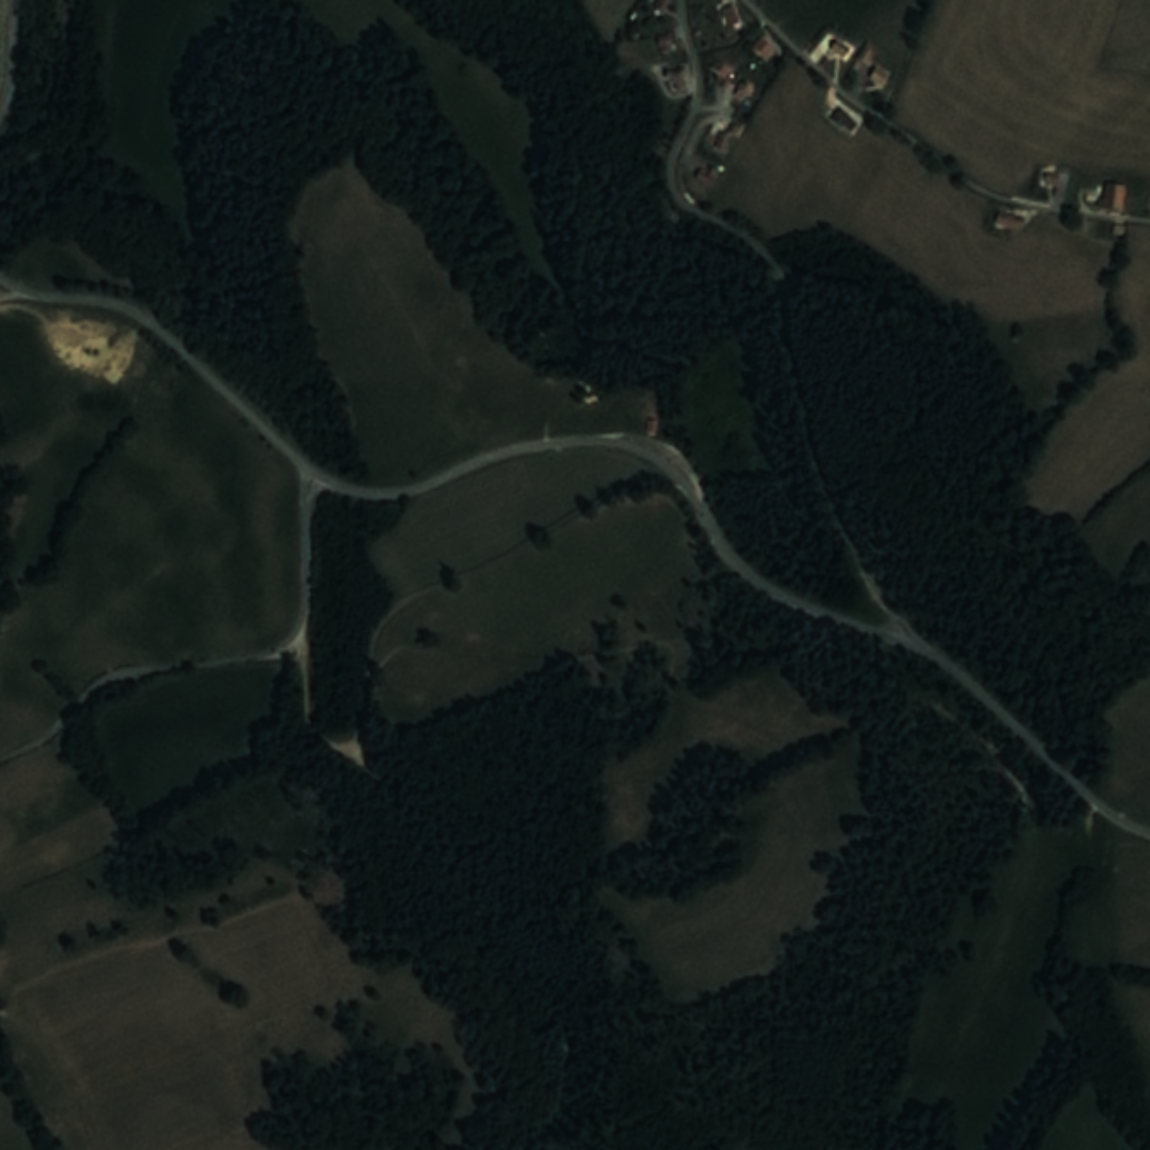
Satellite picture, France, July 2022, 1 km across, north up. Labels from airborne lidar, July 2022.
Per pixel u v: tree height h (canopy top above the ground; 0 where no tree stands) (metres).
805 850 0
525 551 0
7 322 0
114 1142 0
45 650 0
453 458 0
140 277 20
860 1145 17
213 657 0
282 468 0
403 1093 25
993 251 0
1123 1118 15
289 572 0
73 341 0
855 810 0
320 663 8
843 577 13
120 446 15
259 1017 0
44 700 0
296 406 30
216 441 0
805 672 28
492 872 29
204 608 0
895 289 8
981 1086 0
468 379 0
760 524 26
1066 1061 22
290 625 0
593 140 31
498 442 0
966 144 0
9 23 0
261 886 0
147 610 0
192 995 0
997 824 40
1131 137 0
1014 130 0
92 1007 0
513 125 0
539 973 24
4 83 0
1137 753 0
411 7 28
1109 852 0
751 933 0
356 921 21
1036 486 0
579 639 0
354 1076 20
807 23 0
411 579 0
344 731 9
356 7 0
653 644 8
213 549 0
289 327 26
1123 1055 17
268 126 25
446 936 25
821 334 22
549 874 20
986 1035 0
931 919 21
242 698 0
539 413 0
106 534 0
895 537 16
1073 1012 22
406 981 0
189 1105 0
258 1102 0
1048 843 0
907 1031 32
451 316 0
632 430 0
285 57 35
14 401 0
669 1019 10
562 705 16
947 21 0
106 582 0
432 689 0
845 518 25
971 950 20
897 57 0
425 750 15
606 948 19
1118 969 13
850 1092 11
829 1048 9
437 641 15
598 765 20
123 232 40
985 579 20
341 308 0
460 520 0
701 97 0
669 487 14
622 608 19
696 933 0
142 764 0
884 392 21
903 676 9
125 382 0
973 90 0
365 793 17
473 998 27
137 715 0
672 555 0
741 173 0
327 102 35
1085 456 0
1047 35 0
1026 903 0
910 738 30
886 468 15
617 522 0
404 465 0
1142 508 0
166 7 0
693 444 18
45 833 0
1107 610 18
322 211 0
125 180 18
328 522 14
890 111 18
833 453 19
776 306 30
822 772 0
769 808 0
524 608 0
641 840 0
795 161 0
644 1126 12
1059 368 0
